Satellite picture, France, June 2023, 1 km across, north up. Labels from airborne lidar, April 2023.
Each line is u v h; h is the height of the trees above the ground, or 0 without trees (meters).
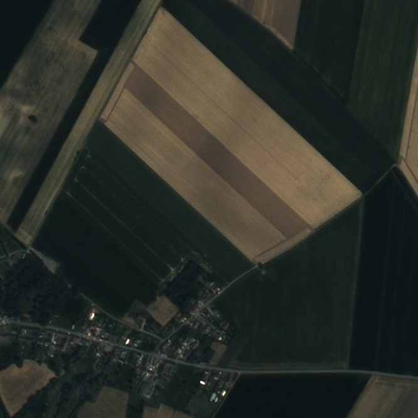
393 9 0
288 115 0
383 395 0
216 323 7
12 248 0
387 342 0
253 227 0
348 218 0
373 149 0
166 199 0
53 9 0
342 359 0
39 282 14
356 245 0
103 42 0
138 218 0
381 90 0
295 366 0
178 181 0
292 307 0
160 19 0
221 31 0
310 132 0
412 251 0
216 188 0
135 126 0
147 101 0
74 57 0
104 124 0
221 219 0
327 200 0
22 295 18
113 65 0
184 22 0
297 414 0
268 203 0
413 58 0
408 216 0
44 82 0
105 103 0
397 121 0
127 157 0
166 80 0
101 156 0
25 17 0
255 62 0
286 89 0
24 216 0
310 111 0
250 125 0
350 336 0
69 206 0
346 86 0
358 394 0
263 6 0
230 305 0
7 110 0
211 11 0
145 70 0
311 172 0
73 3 0
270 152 0
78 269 0
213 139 0
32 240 0
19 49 0
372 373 0
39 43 0
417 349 0
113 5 0
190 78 0
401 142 0
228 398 0
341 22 0
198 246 0
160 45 0
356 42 0
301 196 0
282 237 0
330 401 0
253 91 0
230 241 0
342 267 0
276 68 0
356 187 0
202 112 0
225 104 0
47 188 0
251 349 0
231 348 0
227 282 0
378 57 0
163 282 0
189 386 0
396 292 0
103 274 0
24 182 0
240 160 0
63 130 0
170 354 0
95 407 0
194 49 0
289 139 0
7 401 0
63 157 0
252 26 0
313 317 0
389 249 0
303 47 0
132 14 0
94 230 0
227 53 0
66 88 0
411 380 0
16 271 7
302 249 0
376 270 0
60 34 0
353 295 0
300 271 0
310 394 0
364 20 0
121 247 0
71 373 0
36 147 0
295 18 0
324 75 0
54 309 13
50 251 0
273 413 0
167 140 0
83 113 0
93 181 0
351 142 0
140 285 0
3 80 0
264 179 0
